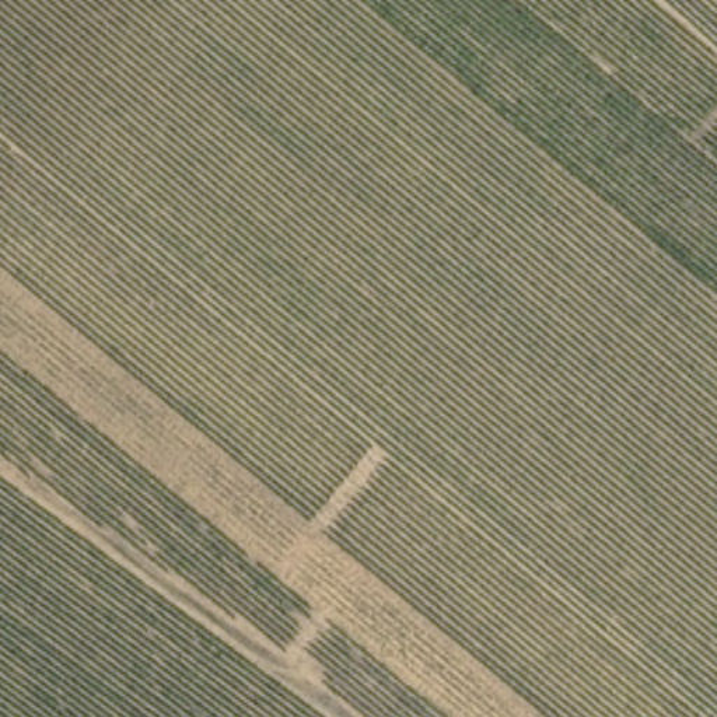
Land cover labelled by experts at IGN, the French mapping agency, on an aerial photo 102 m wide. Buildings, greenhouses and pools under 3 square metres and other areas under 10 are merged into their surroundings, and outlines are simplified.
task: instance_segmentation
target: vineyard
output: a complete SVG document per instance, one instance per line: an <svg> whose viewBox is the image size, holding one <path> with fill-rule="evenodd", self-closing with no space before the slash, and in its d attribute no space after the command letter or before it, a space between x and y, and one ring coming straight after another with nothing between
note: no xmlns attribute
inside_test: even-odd
<svg viewBox="0 0 717 717"><path fill-rule="evenodd" d="M0 0L0 717L717 717L717 0Z"/></svg>

